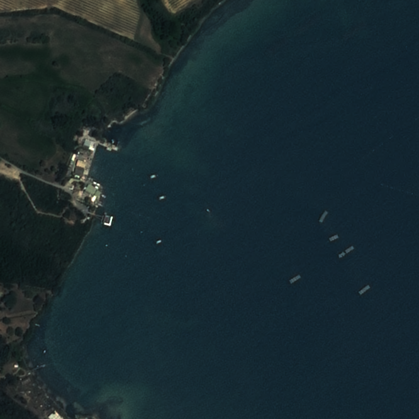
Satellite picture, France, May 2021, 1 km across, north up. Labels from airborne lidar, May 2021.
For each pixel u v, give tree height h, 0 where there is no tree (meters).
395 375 0
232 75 0
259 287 0
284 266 0
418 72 0
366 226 0
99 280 0
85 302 0
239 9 0
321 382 0
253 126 0
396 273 0
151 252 0
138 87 0
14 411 14
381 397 0
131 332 0
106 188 0
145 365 0
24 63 0
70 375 0
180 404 0
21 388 0
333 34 0
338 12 0
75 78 0
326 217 0
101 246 0
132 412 0
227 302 0
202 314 0
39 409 0
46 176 0
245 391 0
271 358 0
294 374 0
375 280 0
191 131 0
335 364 0
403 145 0
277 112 0
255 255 0
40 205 6
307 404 0
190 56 0
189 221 0
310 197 0
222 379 0
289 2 0
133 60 0
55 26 0
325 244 0
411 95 0
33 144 0
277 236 0
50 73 0
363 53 0
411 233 0
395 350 0
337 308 0
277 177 0
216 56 0
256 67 0
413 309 0
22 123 0
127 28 0
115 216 0
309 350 0
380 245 0
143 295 0
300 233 0
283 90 0
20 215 7
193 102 0
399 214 0
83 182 12
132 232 0
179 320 0
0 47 0
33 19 0
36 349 0
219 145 0
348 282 0
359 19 0
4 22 0
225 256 0
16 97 0
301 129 0
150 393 0
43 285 12
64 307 0
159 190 0
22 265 7
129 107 10
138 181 0
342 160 0
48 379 0
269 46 0
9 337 6
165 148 0
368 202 0
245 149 0
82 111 6
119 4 0
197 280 0
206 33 0
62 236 8
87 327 0
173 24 13
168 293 0
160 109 0
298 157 0
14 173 0
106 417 0
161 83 12
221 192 0
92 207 10
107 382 0
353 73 0
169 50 6
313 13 0
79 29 0
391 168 0
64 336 0
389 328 0
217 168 0
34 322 11
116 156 0
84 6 0
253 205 0
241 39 0
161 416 0
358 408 0
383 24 0
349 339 0
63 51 0
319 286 0
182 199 0
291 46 0
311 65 0
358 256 0
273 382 0
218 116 0
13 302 16
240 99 0
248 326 0
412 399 0
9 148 0
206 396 0
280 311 0
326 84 0
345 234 0
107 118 12
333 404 0
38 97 0
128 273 0
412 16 0
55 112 7
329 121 0
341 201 0
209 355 0
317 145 0
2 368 8
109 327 0
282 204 0
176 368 0
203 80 0
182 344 0
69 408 0
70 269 0
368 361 0
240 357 0
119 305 0
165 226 0
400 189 0
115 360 0
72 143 8
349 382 0
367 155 0
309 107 0
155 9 6
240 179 0
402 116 0
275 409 0
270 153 0
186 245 0
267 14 0
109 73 0
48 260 8
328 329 0
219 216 0
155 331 0
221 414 0
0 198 7
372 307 0
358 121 0
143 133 0
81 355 0
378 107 0
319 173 0
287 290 0
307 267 0
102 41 0
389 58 0
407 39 0
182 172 0
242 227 0
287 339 0
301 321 0
